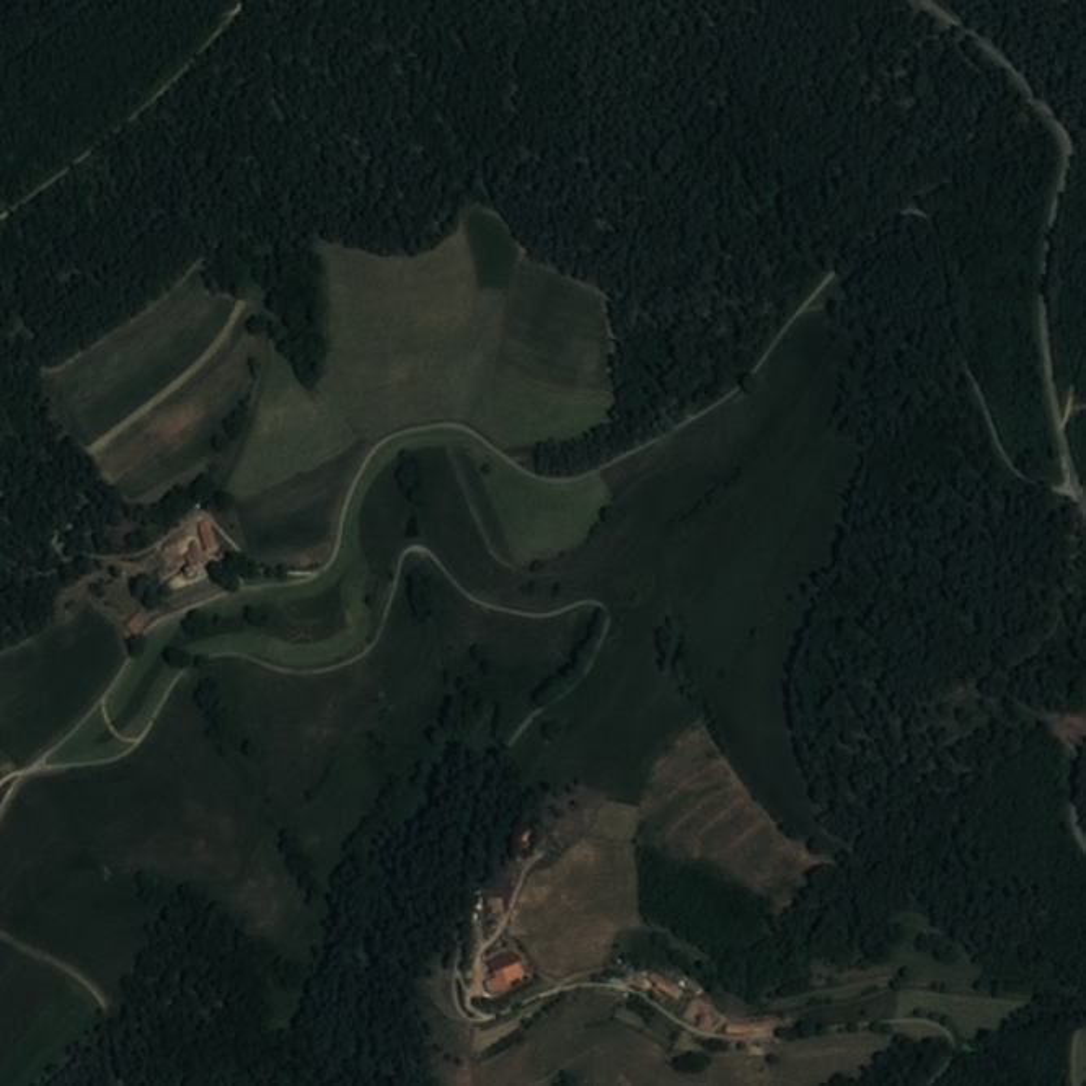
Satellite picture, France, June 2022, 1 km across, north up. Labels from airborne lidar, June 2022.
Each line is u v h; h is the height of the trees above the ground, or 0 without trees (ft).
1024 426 22
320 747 0
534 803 62
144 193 55
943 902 91
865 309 71
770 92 77
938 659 68
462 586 0
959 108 67
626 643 0
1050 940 48
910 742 60
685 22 67
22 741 0
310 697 0
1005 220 28
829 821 40
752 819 0
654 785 0
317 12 51
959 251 40
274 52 55
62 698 0
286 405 0
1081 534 27
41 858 0
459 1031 0
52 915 0
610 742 0
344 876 76
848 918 35
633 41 80
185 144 36
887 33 69
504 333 0
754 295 76
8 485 51
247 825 0
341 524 0
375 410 0
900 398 69
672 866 22
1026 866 39
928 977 0
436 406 0
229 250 67
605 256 80
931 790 72
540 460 54
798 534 0
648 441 30
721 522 0
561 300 0
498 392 0
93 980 0
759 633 26
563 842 0
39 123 34
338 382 0
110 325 53
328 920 34
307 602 0
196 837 0
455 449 0
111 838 0
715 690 0
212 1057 86
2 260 34
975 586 78
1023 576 81
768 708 0
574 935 0
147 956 34
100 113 38
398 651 0
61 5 32
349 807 0
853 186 78
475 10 53
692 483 0
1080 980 58
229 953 79
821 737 38
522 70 45
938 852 44
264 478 0
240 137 54
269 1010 80
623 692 0
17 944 0
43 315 62
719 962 26
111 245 48
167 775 0
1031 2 66
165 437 0
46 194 41
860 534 39
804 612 0
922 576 77
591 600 0
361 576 0
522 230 52
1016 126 45
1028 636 78
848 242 56
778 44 57
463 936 31
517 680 0
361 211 47
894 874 94
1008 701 33
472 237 0
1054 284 66
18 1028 0
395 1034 80
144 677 0
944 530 76
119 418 0
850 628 86
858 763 39
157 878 31
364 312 0
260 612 47
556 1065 0
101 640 0
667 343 35
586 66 58
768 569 0
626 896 0
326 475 0
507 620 0
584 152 74
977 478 39
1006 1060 49
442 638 0
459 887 82
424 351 0
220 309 0
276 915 0
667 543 0
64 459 48
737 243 67
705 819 0
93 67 40
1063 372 33
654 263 76
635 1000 26
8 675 0
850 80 33
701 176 42
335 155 31
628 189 59
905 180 65
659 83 24
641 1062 0
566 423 0
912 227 60
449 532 0
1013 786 48
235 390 0
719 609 0
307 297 82
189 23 36
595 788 0
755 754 0
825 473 0
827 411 0
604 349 0
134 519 74
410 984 62
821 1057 0
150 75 42
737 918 19
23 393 32
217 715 81
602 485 0
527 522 0
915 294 79
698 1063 73
